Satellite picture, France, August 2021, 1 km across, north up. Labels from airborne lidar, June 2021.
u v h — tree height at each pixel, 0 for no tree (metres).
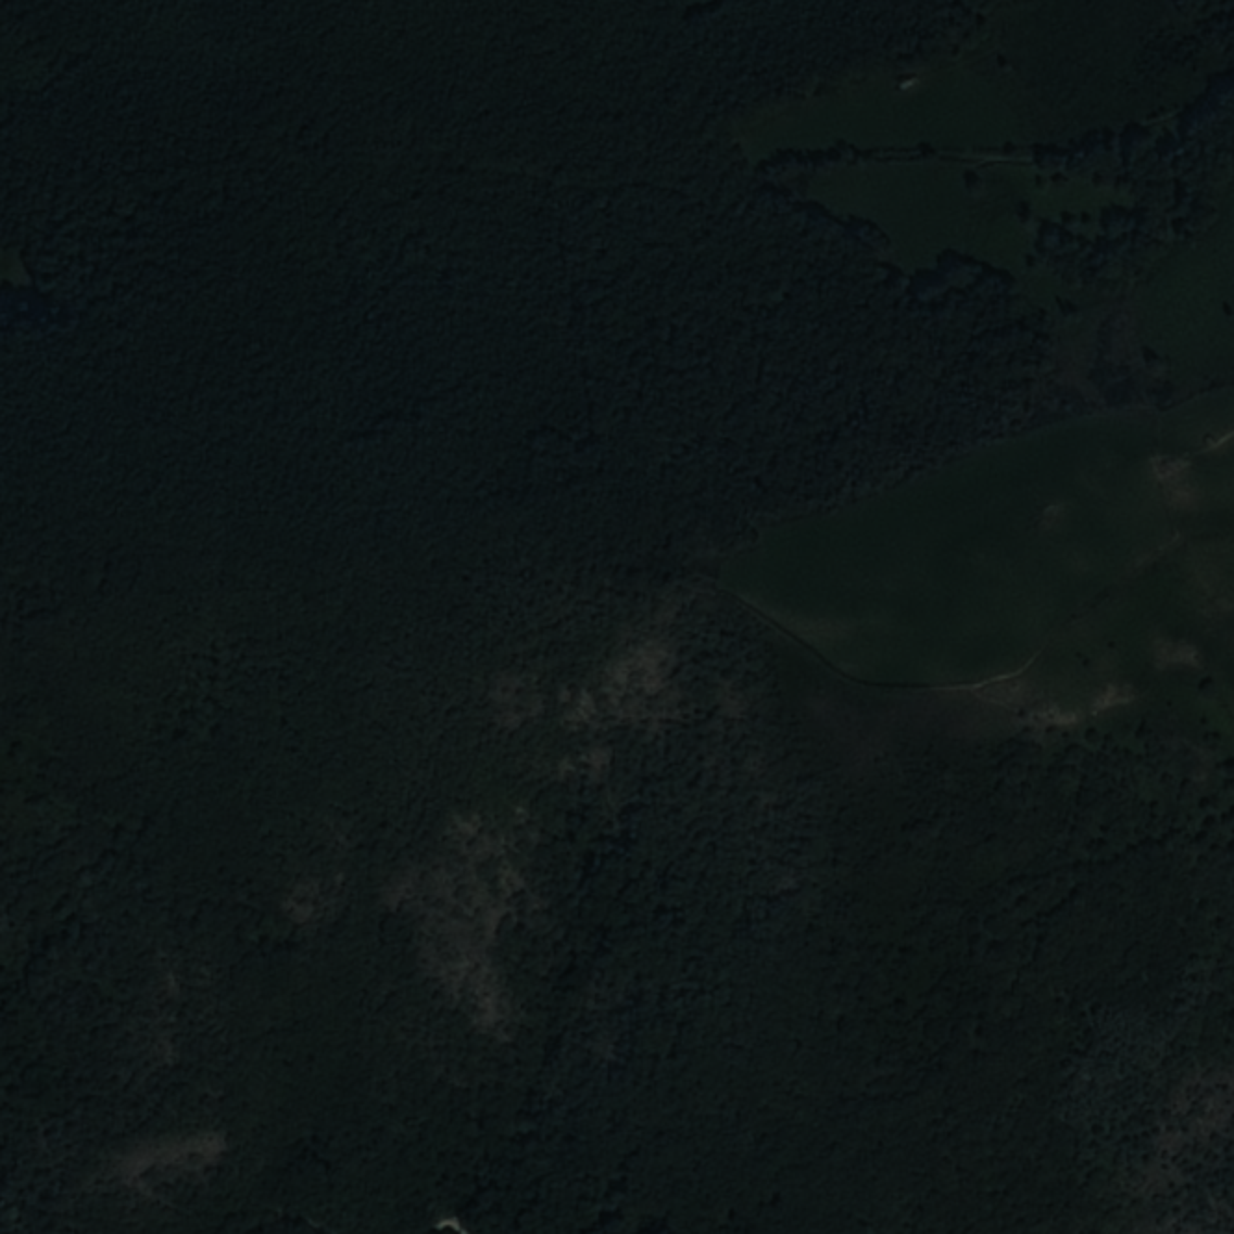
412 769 14
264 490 18
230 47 17
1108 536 0
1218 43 18
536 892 11
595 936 13
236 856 19
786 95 25
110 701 11
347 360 18
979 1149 15
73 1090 8
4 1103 9
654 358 23
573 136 25
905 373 23
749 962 21
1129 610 0
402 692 22
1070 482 0
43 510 20
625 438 22
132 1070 7
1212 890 16
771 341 26
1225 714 0
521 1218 23
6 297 0
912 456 10
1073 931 17
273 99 25
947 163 0
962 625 0
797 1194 20
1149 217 17
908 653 0
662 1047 21
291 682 23
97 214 25
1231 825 14
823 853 9
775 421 21
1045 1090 15
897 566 0
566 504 22
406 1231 15
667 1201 26
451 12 21
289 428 17
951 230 0
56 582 15
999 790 10
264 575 20
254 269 24
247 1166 18
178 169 26
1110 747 11
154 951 7
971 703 0
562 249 18
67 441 23
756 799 9
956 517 0
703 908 24
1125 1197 7
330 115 25
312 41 21
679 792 14
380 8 22
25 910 16
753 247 24
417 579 20
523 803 10
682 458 19
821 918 11
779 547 0
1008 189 0
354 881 15
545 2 23
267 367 22
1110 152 17
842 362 21
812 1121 19
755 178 17
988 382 15
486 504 20
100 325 26
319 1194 21
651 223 27
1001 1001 12
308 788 21
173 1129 9
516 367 15
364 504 15
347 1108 24
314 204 20
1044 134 0
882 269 18
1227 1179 13
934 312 21
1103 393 0
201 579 20
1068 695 0
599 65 25
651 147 25
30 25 27
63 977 9
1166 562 0
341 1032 22
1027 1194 17
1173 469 0
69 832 9
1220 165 21
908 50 23
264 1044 17
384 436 20
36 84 21
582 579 8
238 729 21
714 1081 21
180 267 24
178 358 25
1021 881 12
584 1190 20
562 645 12
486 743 9
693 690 9
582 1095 16
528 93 25
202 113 22
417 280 17
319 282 18
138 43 18
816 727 0
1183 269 0
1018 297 14
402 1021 12
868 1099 15
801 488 16
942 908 9
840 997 15
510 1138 27
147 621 17
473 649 17
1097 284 13
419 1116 18
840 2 24
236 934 9
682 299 24
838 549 0
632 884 25
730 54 27
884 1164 16
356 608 20
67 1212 10
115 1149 9
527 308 18
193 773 23
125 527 19
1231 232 0
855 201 0
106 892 20
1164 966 21
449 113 24
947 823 8
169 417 22
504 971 10
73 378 24
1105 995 17
